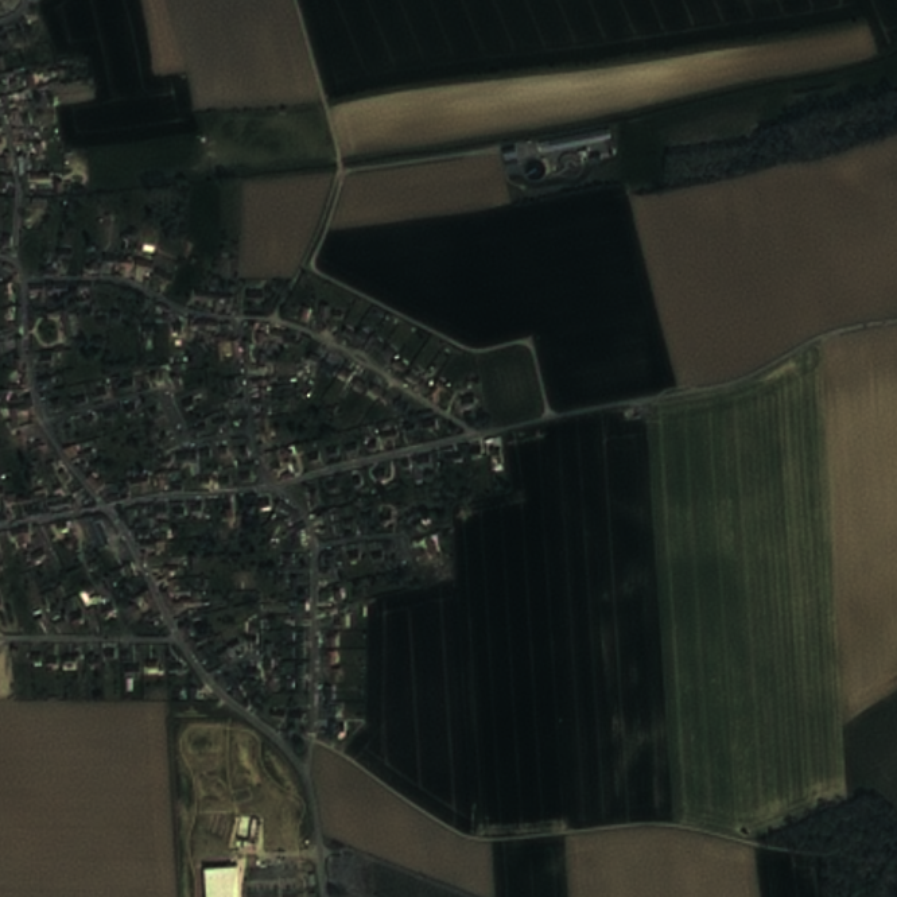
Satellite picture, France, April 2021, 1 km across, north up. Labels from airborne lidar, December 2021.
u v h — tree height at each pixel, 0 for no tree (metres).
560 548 0
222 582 0
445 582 0
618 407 0
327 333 0
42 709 0
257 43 0
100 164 0
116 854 0
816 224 0
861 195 0
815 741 0
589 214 0
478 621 0
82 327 0
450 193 0
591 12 0
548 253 0
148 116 0
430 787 0
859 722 0
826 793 0
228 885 0
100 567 5
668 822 0
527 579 0
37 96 15
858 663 0
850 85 0
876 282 0
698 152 13
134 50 0
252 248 0
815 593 0
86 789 0
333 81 0
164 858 0
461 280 0
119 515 12
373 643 0
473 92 0
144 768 0
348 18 0
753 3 0
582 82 0
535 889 0
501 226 0
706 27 0
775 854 0
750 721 0
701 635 0
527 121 0
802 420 0
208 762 0
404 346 0
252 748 0
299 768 0
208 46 0
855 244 0
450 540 8
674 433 0
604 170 0
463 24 0
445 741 0
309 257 0
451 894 0
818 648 0
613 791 0
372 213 0
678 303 0
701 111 0
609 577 0
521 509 0
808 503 0
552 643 0
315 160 0
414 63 0
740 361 0
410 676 0
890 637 0
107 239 0
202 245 0
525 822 0
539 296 0
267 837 0
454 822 0
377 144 0
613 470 0
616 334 0
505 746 0
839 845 20
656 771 0
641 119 0
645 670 0
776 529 0
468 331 0
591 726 0
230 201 0
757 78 0
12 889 0
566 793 0
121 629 0
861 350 0
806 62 0
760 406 0
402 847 0
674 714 0
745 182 0
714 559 0
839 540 0
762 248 0
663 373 0
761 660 0
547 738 0
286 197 0
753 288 0
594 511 0
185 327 0
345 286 0
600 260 0
